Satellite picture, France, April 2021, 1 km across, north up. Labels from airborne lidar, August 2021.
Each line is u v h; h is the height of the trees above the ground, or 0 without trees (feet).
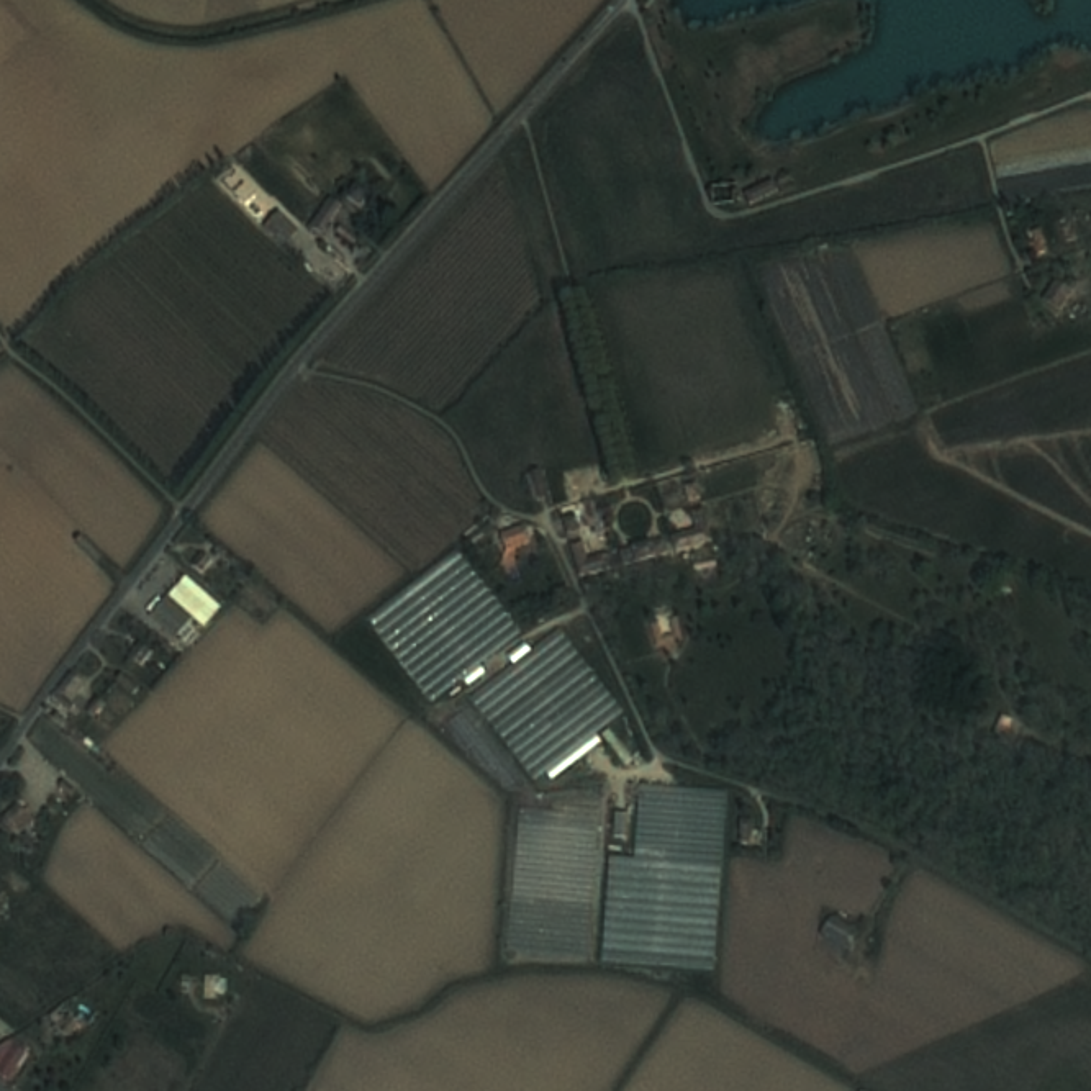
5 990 0
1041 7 44
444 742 0
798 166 0
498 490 0
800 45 0
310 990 0
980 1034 0
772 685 39
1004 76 48
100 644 45
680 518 0
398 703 0
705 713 0
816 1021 0
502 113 0
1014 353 0
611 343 0
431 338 0
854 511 18
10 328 0
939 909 0
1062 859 85
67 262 0
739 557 61
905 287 0
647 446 0
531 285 0
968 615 0
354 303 0
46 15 0
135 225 41
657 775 0
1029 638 0
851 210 0
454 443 0
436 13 26
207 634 0
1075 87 0
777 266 0
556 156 0
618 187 0
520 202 0
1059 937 45
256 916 46
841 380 0
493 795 0
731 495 0
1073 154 0
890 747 41
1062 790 77
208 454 71
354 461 0
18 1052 0
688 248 0
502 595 33
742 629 0
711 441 0
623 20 0
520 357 0
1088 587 46
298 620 0
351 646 0
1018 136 0
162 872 0
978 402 0
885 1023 0
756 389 0
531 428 0
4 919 0
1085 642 38
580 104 0
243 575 33
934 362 0
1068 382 0
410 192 0
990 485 0
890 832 48
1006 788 69
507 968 0
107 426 76
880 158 0
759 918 0
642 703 26
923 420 0
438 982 0
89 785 0
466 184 0
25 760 0
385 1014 0
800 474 0
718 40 0
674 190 0
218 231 0
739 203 0
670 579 75
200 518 33
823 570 0
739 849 30
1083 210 0
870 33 25
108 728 0
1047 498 0
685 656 0
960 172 0
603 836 0
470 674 0
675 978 0
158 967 0
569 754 0
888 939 0
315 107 0
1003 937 0
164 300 0
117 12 0
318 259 0
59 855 0
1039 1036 0
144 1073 0
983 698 77
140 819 0
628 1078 0
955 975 0
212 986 0
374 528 0
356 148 0
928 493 0
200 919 0
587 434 0
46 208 0
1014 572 53
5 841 38
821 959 0
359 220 29
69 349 0
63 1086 27
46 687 0
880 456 0
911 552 0
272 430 0
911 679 57
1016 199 0
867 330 0
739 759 62
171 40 0
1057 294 0
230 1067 0
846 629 60
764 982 0
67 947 0
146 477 0
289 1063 0
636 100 0
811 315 0
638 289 0
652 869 0
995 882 54
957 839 67
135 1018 0
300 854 0
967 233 0
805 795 52
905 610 0
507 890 0
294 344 58
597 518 30
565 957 0
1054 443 0
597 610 39
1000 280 0
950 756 57
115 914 0
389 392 0
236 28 23
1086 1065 0
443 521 0
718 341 0
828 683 46
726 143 0
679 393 0
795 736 72
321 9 21
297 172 0
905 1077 0
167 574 0
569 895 0
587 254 0
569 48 0
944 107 41
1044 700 60
